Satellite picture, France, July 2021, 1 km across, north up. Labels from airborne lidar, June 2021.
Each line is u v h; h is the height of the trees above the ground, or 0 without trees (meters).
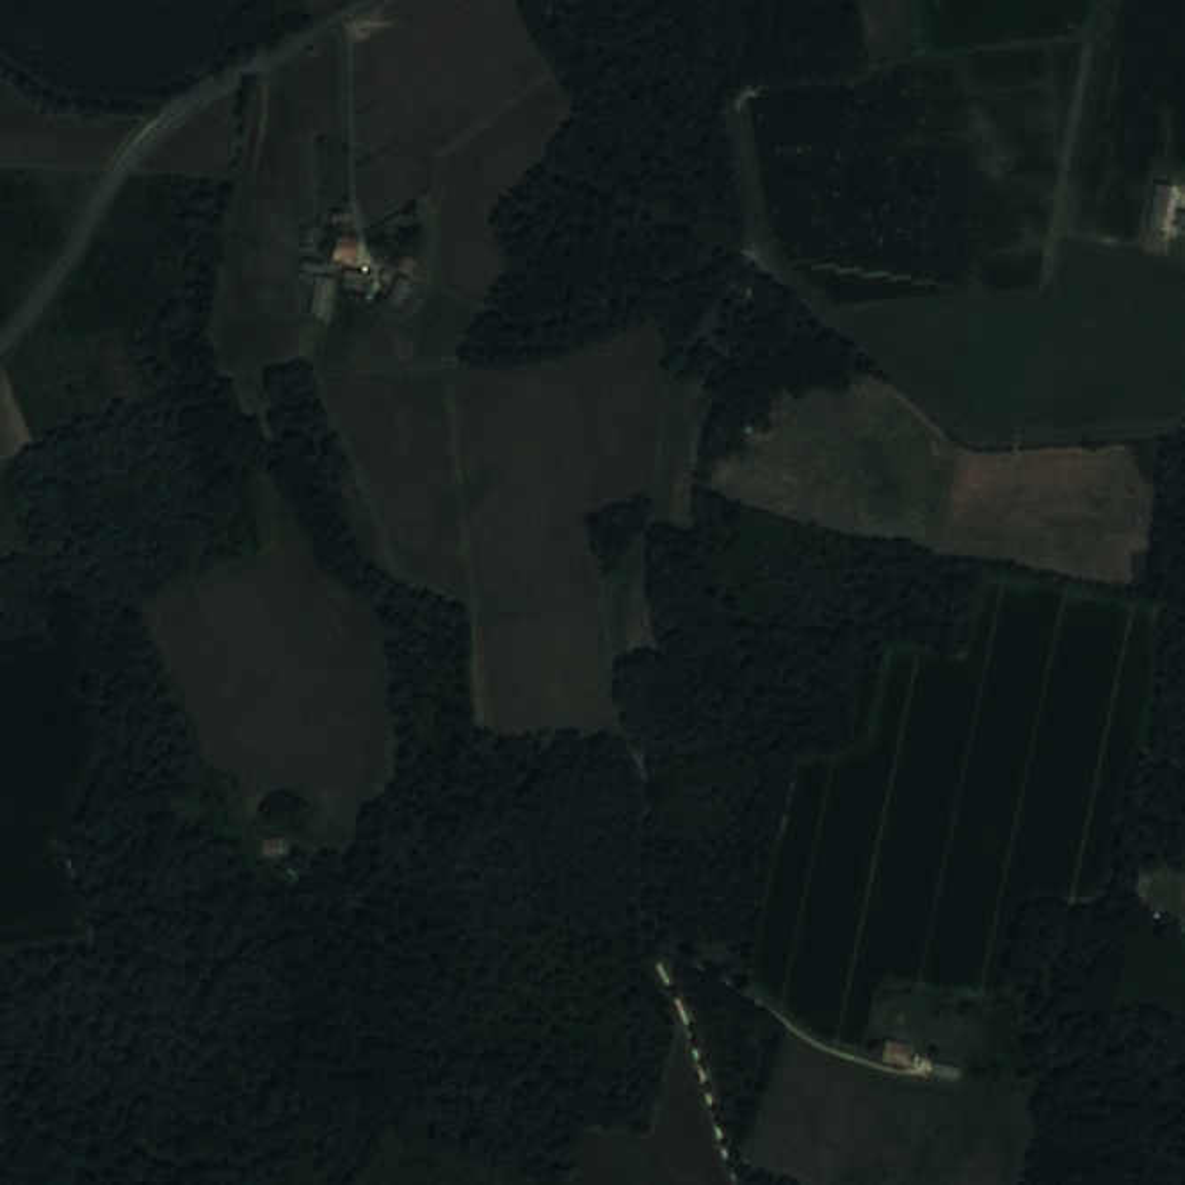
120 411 11
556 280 16
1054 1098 20
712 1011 7
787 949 0
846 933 0
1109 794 0
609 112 18
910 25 0
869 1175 0
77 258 0
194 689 0
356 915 14
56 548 7
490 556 0
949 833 0
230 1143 11
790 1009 0
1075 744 0
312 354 0
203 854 25
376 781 0
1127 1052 25
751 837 6
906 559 17
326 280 0
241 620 0
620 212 17
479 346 11
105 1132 11
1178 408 0
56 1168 20
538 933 14
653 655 17
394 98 0
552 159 9
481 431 0
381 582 15
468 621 13
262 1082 7
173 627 0
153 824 16
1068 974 12
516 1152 21
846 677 16
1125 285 0
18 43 8
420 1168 0
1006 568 13
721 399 17
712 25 17
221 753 0
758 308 14
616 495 0
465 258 0
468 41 0
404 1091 18
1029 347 0
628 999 9
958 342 0
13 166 0
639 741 13
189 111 0
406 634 10
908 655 0
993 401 0
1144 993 0
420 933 11
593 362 0
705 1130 0
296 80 0
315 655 0
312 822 0
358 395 0
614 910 15
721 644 13
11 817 0
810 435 0
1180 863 15
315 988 27
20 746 0
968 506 0
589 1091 18
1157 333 0
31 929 0
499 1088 23
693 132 7
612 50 15
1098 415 0
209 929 26
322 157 0
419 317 0
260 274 0
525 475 0
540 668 0
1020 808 0
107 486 11
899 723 0
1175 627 13
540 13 19
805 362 23
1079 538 0
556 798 15
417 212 10
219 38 12
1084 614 0
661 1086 13
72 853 7
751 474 0
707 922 16
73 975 22
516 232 13
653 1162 0
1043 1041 21
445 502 0
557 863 13
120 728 21
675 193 8
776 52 19
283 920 20
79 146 0
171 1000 27
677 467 0
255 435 11
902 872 0
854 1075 0
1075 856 0
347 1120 9
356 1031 9
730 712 20
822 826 0
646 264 10
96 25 14
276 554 0
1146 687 0
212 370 14
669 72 13
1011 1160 0
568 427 0
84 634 21
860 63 18
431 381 0
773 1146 0
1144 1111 19
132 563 16
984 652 0
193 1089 15
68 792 0
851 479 0
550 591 0
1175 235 0
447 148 0
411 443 0
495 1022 7
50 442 8
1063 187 0
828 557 8
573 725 0
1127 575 0
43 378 0
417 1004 14
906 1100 0
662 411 0
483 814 18
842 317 0
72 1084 24
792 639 11
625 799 16
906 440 0
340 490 17
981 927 0
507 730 0
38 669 0
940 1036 0
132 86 11
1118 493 0
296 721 0
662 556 15
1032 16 0
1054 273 0
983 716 0
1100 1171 9
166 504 8
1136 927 14
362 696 0
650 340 0
